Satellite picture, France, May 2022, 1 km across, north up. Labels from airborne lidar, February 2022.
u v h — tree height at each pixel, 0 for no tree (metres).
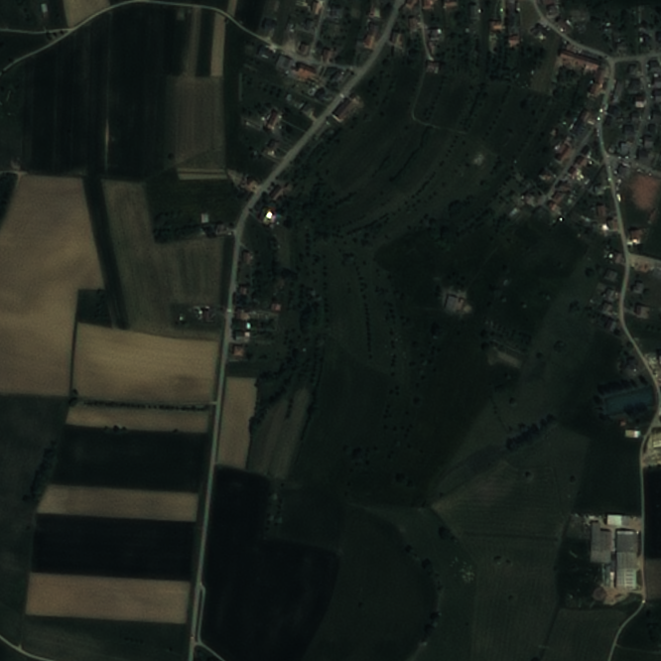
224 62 0
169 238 6
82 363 0
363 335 0
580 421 0
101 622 0
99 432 0
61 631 0
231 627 0
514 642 0
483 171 0
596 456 0
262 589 0
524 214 0
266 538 0
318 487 0
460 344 0
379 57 0
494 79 13
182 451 0
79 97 0
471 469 0
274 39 0
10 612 0
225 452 0
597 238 0
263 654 0
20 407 0
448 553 0
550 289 0
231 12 0
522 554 0
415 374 0
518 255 0
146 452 0
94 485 0
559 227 0
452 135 0
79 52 0
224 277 0
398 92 0
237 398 0
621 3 0
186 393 0
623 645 0
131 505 0
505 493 0
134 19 0
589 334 0
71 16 0
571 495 0
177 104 0
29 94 0
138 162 0
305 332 11
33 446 0
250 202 0
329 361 0
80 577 0
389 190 0
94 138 0
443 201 0
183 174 0
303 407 0
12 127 0
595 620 0
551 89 0
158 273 0
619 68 0
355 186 0
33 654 0
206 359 0
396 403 0
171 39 0
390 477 0
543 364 0
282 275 21
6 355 0
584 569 0
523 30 0
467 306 0
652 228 0
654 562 0
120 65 0
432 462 0
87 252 0
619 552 0
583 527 0
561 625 0
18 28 0
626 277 0
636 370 0
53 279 0
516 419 0
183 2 0
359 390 0
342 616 0
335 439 0
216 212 0
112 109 0
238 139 0
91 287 0
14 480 0
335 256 0
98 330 0
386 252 0
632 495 0
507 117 0
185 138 0
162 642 0
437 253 0
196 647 0
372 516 0
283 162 0
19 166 0
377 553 0
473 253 0
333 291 0
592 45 0
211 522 0
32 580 0
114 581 0
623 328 0
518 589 0
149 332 0
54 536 0
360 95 0
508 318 0
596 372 0
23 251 0
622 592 0
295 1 0
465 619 0
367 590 0
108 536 0
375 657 0
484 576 0
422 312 0
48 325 0
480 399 0
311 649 0
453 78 0
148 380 0
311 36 0
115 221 0
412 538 0
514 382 0
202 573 0
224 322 0
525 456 0
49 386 0
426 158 0
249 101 0
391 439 0
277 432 0
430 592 0
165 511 0
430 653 0
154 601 0
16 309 0
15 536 0
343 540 0
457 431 0
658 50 0
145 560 0
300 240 0
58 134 0
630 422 0
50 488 0
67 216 0
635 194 0
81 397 0
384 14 0
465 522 0
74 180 0
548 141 0
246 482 0
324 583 0
